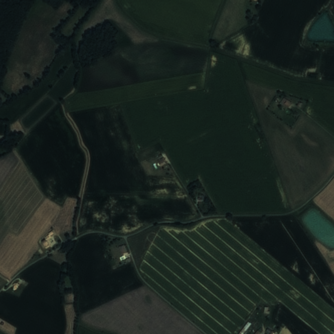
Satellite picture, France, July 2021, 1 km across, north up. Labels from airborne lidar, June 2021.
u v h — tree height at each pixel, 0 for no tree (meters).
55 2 23
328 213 0
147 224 0
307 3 0
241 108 0
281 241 0
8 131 20
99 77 0
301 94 0
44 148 0
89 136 0
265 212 0
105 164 0
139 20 0
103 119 0
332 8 0
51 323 0
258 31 0
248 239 0
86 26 0
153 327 0
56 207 0
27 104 0
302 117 0
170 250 0
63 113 0
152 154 0
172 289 0
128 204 0
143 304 0
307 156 0
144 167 0
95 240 0
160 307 0
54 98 0
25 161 0
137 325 0
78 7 17
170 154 0
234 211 0
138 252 0
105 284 0
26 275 0
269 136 0
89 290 0
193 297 0
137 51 0
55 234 0
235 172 0
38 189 0
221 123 0
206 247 0
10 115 0
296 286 0
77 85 15
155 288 0
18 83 0
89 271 0
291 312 0
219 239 0
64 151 0
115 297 0
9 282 0
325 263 0
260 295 0
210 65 0
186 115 0
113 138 0
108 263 0
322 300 0
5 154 12
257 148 0
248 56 0
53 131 0
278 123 0
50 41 0
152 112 0
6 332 0
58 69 0
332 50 0
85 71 0
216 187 0
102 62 0
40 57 0
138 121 0
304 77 0
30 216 0
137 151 0
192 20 0
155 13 0
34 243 0
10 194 0
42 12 0
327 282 0
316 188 0
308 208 0
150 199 0
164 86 0
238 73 0
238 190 0
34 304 0
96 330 0
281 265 0
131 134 0
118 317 0
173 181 0
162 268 0
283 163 0
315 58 0
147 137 0
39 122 0
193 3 0
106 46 19
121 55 0
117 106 0
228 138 0
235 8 0
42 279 0
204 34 0
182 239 0
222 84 0
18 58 0
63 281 13
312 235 0
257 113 0
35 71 0
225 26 0
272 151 0
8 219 0
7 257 0
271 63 0
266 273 0
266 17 0
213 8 0
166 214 0
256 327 0
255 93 0
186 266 0
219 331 0
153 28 0
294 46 0
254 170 0
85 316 0
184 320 0
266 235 0
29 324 0
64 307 0
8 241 0
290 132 0
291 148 0
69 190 0
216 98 0
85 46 20
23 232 0
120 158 0
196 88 0
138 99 0
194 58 0
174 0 0
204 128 0
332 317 0
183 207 0
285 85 0
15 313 0
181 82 0
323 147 0
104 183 0
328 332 0
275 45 0
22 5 19
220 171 0
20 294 0
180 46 0
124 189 0
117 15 0
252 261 0
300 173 0
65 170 0
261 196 0
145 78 0
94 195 0
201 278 0
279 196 0
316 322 0
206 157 0
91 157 0
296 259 0
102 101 0
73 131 0
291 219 0
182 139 0
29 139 0
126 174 0
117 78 0
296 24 0
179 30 0
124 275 0
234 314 0
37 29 0
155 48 0
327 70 0
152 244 0
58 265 0
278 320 0
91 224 0
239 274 0
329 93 0
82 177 0
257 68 0
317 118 0
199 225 0
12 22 21
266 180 0
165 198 0
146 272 0
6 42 20
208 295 0
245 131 0
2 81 23
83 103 0
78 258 0
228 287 0
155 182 0
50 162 0
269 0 0
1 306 0
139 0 0
